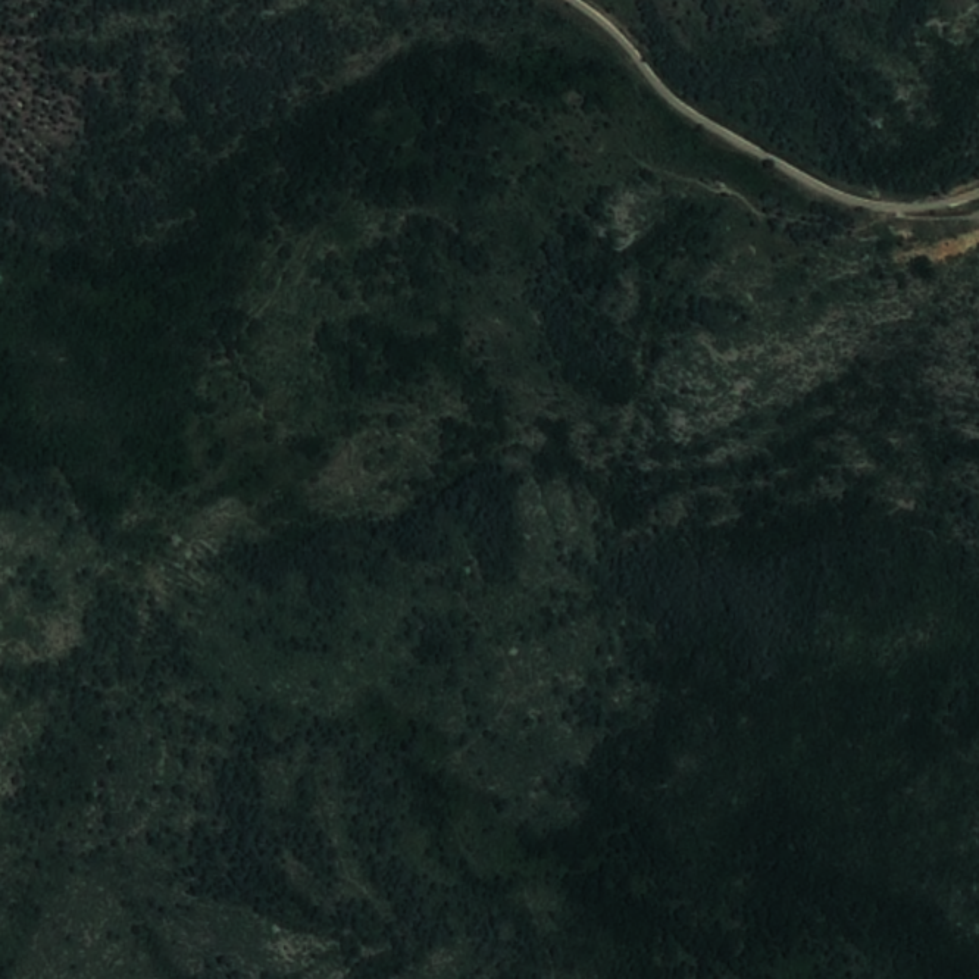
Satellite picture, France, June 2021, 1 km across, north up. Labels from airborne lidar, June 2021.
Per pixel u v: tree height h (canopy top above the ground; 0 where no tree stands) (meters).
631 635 11
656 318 7
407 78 15
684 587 15
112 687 11
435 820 11
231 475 0
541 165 9
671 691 10
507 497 10
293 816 6
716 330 8
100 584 7
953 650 9
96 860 9
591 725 7
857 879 9
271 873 12
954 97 8
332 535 12
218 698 9
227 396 11
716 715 7
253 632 8
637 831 13
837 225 14
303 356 7
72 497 6
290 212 7
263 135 14
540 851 10
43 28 11
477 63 12
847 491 8
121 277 11
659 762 13
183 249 15
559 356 8
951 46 6
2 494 6
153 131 10
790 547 13
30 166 10
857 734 6
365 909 9
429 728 9
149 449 11
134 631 8
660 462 8
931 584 8
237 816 10
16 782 9
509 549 7
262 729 12
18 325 7
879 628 6
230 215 10
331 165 13
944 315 6
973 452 8
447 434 10
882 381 6
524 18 6
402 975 15
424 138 11
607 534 12
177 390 7
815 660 6
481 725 11
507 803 16
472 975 7
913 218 0
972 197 0
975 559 6
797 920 12
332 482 0
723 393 0
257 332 9
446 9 7
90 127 11
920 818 6
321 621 10
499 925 15
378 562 8
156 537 5
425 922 14
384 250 12
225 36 7
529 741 7
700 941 18
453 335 10
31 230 12
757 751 7
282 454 0
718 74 7
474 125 10
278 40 11
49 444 6
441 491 8
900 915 16
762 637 12
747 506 13
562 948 7
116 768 10
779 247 0
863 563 11
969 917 9
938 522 10
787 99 8
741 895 10
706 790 8
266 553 9
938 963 15
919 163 10
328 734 9
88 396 5
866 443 9
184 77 8
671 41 10
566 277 6
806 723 9
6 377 9
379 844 9
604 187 7
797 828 14
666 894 15
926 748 9
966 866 7
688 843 10
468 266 14
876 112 7
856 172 10
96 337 8
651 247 7
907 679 11
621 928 15
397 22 11
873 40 6
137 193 11
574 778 12
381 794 13
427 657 7
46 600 8
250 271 6
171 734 10
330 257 10
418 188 13
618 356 10
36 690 14
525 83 9
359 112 12
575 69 8
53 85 12
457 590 7
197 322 8
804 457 11
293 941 0
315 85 9
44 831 11
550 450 11
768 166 13
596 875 13
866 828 9
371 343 14
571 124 0
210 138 7
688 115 0
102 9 10
